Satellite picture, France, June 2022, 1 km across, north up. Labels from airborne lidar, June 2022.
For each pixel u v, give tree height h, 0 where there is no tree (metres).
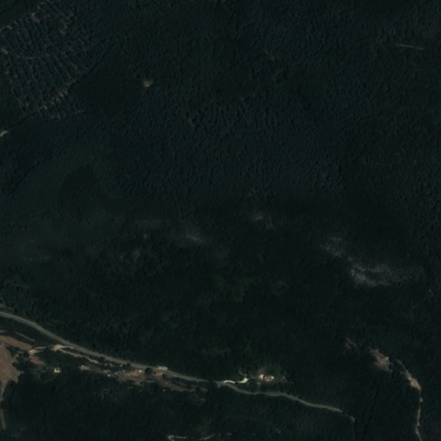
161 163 22
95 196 9
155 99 20
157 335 13
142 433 9
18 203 20
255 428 13
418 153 19
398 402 18
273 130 16
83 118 21
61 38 21
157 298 19
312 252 16
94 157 19
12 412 7
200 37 22
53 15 25
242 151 21
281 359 20
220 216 18
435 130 22
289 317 15
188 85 25
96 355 0
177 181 23
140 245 13
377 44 14
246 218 6
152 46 14
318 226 9
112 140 20
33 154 16
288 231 17
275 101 20
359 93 23
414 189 20
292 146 22
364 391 23
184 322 9
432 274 14
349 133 16
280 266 21
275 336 14
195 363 14
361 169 20
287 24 23
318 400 14
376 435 21
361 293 18
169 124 18
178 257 18
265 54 8
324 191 17
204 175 27
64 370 12
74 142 23
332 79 18
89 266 9
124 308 14
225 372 13
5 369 0
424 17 7
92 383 13
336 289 19
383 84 12
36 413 13
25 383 17
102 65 24
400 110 16
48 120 22
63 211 9
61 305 9
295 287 15
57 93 22
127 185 15
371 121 15
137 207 13
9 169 14
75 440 13
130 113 17
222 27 20
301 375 20
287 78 31
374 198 22
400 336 26
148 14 21
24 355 8
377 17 19
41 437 14
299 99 7
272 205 19
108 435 9
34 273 7
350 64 18
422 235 12
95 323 7
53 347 0
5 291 26
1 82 20
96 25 18
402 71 18
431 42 7
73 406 9
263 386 6
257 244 17
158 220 9
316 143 18
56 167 18
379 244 19
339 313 15
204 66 24
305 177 22
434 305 11
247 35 18
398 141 18
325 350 20
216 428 11
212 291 22
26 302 23
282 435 17
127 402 9
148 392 9
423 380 15
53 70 23
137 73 19
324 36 18
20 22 17
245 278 12
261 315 17
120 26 21
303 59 13
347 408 16
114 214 10
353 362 21
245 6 22
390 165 14
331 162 16
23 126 21
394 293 11
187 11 24
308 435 16
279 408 19
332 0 13
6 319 11
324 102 18
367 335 23
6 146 19
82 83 20
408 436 14
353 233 15
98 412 10
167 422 9
